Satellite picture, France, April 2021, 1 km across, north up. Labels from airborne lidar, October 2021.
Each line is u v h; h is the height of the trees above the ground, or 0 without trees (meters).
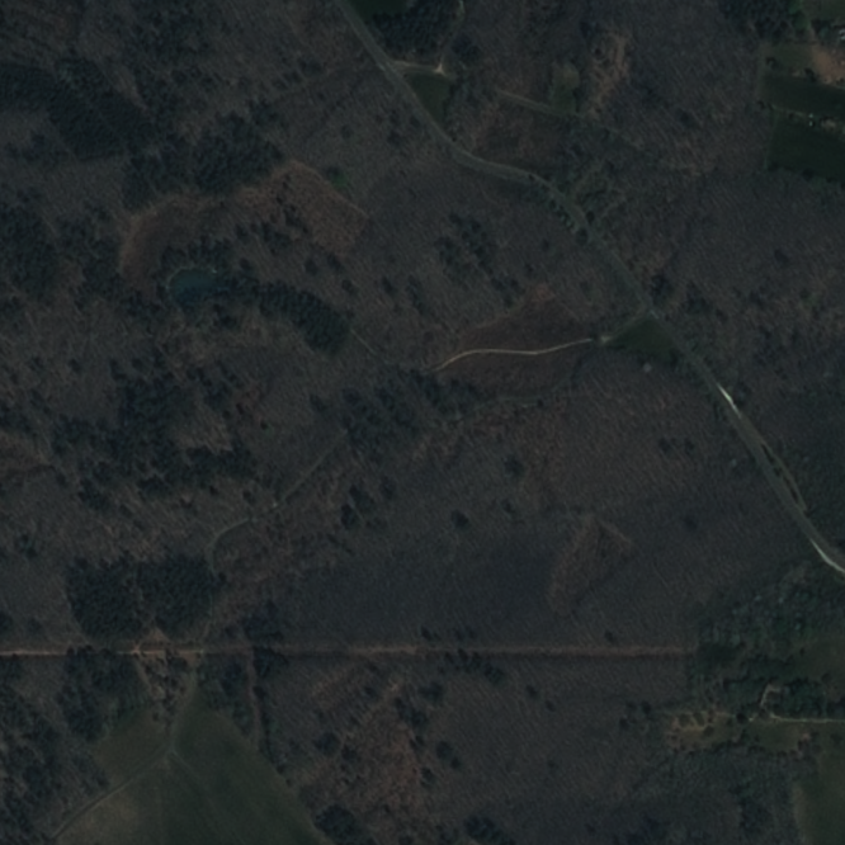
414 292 17
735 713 9
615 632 16
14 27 9
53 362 6
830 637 17
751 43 19
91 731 28
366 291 15
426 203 14
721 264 21
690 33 17
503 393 7
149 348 9
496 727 16
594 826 12
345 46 6
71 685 19
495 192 7
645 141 17
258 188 25
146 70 15
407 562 22
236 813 0
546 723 13
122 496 15
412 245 17
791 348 13
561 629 16
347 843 27
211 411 15
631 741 14
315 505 8
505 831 15
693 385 17
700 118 18
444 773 13
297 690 16
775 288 19
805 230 19
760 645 18
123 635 25
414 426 25
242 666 15
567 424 12
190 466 18
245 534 6
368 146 16
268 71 17
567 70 21
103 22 15
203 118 23
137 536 16
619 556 6
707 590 15
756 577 14
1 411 10
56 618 15
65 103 17
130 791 0
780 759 12
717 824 13
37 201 19
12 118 17
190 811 0
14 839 13
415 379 16
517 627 16
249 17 17
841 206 14
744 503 13
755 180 16
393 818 21
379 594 21
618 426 11
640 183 13
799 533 14
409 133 12
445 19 17
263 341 22
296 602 15
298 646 16
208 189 20
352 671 6
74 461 13
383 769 20
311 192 6
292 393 15
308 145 19
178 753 0
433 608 16
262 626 12
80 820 0
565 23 7
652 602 15
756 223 24
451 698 12
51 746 24
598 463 11
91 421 13
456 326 15
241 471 25
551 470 7
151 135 18
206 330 20
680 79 18
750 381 15
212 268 27
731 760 16
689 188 9
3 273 23
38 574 14
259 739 16
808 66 0
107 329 9
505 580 15
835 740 0
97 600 21
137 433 24
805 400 15
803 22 22
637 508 13
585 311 15
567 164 18
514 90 8
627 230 12
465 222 15
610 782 14
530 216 13
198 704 0
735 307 19
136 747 0
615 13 18
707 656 10
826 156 0
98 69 17
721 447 12
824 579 9
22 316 24
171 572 22
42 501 14
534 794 12
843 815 0
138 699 20
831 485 11
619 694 15
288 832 0
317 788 8
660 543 15
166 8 23
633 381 11
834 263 19
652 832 13
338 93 12
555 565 15
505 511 15
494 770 13
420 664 13
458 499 19
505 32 13
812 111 0
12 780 21
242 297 23
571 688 14
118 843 0
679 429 11
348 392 15
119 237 16
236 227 13
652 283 13
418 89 0
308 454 13
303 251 13
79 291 9
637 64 22
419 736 24
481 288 17
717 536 16
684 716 12
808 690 17
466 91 18
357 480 11
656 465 15
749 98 18
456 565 15
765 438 12
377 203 16
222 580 6
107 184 17
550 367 6
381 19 0
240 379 11
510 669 15
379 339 12
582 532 17
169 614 18
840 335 16
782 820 16
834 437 15
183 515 20
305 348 17
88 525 11
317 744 17
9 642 15
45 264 26
